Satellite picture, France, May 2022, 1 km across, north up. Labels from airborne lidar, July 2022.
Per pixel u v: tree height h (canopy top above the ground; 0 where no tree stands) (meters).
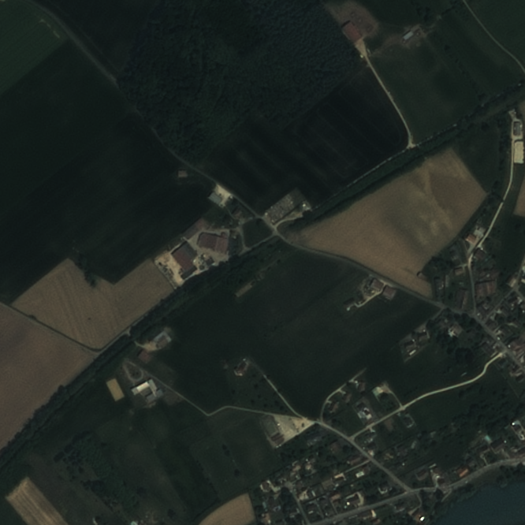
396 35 0
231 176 0
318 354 0
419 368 0
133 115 0
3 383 0
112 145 0
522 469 14
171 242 0
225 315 0
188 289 21
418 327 0
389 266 0
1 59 0
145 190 0
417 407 0
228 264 7
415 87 0
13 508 0
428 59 0
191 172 0
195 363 0
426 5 0
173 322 0
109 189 0
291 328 0
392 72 0
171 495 0
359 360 0
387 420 0
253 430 0
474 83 8
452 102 0
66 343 0
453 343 17
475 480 0
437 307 0
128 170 0
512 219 0
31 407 0
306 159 0
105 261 0
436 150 18
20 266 0
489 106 18
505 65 0
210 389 0
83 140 0
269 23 36
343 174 0
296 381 0
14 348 0
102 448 12
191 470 0
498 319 8
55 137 0
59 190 0
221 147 0
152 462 0
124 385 0
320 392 0
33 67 0
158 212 0
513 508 0
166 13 26
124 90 21
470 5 0
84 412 0
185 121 25
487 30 0
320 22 36
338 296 0
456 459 0
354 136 0
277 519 0
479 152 0
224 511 0
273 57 32
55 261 0
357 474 0
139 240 0
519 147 0
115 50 0
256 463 0
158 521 0
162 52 30
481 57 0
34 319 11
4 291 0
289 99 31
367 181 13
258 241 0
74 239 0
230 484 0
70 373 0
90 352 0
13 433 0
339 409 0
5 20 0
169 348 0
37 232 0
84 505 0
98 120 0
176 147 16
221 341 0
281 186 0
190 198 0
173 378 0
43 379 0
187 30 32
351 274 0
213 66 28
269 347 0
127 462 0
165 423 0
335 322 0
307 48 31
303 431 0
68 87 0
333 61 33
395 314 0
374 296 0
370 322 0
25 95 0
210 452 0
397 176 10
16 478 16
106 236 0
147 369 0
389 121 0
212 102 26
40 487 0
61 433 0
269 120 14
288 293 0
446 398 0
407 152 17
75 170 0
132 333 10
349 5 0
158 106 27
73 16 0
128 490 25
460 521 0
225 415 0
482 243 0
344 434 0
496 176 0
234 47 14
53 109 0
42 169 0
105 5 0
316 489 0
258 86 21
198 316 0
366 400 0
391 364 0
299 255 0
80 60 0
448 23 0
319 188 0
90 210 0
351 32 0
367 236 0
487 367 0
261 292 0
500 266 0
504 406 8
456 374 0
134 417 0
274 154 0
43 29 0
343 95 0
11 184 0
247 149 0
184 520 0
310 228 0
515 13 0
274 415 0
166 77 29
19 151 0
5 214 0
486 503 0
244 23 15
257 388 13
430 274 0
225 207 0
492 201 14
